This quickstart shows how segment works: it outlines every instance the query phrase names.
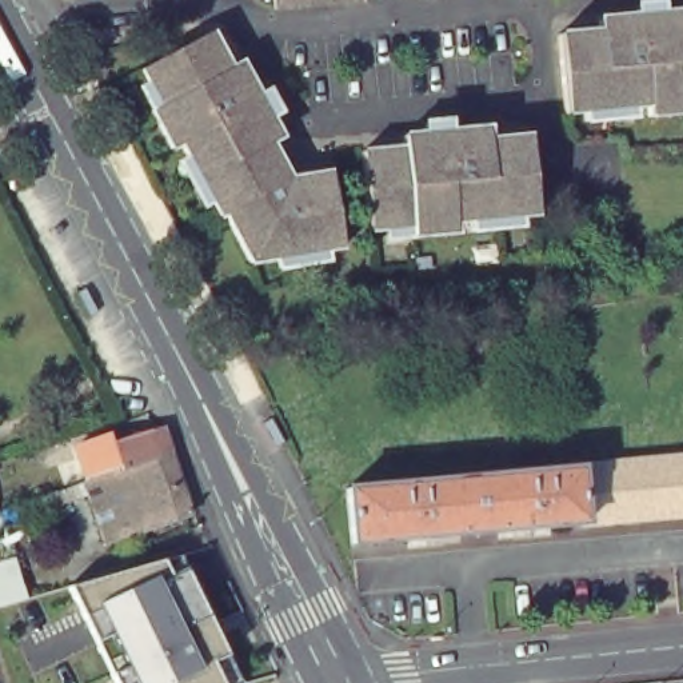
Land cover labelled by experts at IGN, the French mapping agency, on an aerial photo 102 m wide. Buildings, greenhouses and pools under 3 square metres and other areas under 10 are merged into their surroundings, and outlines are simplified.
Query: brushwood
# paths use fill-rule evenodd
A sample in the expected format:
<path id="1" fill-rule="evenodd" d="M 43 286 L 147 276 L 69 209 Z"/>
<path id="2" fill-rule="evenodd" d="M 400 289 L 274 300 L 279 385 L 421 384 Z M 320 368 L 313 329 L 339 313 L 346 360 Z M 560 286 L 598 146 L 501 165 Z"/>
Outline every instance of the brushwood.
<path id="1" fill-rule="evenodd" d="M 29 248 L 35 251 L 48 283 L 53 285 L 69 323 L 77 331 L 77 336 L 69 339 L 69 358 L 77 360 L 83 379 L 93 382 L 93 395 L 88 398 L 83 416 L 72 419 L 59 432 L 40 427 L 40 422 L 29 416 L 27 422 L 8 416 L 0 424 L 0 462 L 35 459 L 45 454 L 53 446 L 69 443 L 75 438 L 96 438 L 112 432 L 117 422 L 133 416 L 133 411 L 125 395 L 112 390 L 112 374 L 107 371 L 107 363 L 101 360 L 99 347 L 91 339 L 80 312 L 72 307 L 69 293 L 45 245 L 40 243 L 40 235 L 24 203 L 19 200 L 19 195 L 11 192 L 11 179 L 0 165 L 0 203 L 8 200 L 8 208 L 19 219 L 29 240 Z"/>
<path id="2" fill-rule="evenodd" d="M 435 635 L 456 632 L 454 595 L 443 592 L 443 598 L 438 600 L 440 619 L 432 622 Z"/>
<path id="3" fill-rule="evenodd" d="M 622 173 L 630 165 L 648 163 L 683 165 L 683 147 L 630 147 L 624 139 L 630 131 L 627 123 L 592 125 L 584 123 L 584 117 L 566 115 L 563 131 L 568 141 L 579 147 L 616 147 Z"/>
<path id="4" fill-rule="evenodd" d="M 144 165 L 155 160 L 145 140 L 160 133 L 152 117 L 144 120 L 141 133 L 131 147 L 136 149 Z"/>
<path id="5" fill-rule="evenodd" d="M 515 600 L 518 587 L 512 582 L 491 582 L 483 592 L 483 606 L 486 627 L 496 630 L 499 624 L 510 624 L 510 619 L 520 608 Z"/>
<path id="6" fill-rule="evenodd" d="M 363 160 L 363 155 L 352 149 L 336 168 L 339 179 L 347 179 L 347 173 L 358 173 L 366 184 L 371 184 L 374 171 Z"/>

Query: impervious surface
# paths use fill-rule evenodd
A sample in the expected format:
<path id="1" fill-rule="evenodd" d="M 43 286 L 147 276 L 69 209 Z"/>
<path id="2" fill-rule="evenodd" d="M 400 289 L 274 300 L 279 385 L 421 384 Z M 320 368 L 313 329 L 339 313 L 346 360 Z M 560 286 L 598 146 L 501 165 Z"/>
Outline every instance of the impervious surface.
<path id="1" fill-rule="evenodd" d="M 61 619 L 51 622 L 40 603 L 8 606 L 13 611 L 11 630 L 16 632 L 19 648 L 29 662 L 32 672 L 51 670 L 64 680 L 61 664 L 72 662 L 72 654 L 83 654 L 93 646 L 72 603 L 64 608 Z"/>
<path id="2" fill-rule="evenodd" d="M 61 480 L 75 478 L 80 472 L 77 448 L 69 443 L 53 446 L 45 454 L 45 464 L 56 467 L 59 478 Z"/>
<path id="3" fill-rule="evenodd" d="M 237 611 L 229 614 L 221 624 L 227 635 L 232 630 L 240 630 L 248 638 L 248 643 L 253 643 L 253 678 L 264 678 L 264 683 L 683 683 L 683 520 L 627 523 L 606 528 L 550 528 L 534 523 L 507 523 L 486 534 L 451 531 L 424 534 L 408 544 L 406 539 L 352 544 L 355 566 L 352 571 L 344 571 L 339 550 L 309 491 L 309 480 L 304 478 L 301 467 L 296 467 L 288 459 L 285 446 L 276 451 L 271 442 L 261 423 L 268 419 L 272 422 L 264 395 L 253 403 L 240 403 L 227 371 L 208 374 L 197 366 L 187 344 L 184 320 L 179 309 L 163 304 L 163 293 L 152 280 L 149 245 L 155 240 L 149 237 L 141 216 L 136 213 L 125 187 L 120 184 L 107 157 L 93 160 L 83 149 L 77 149 L 72 136 L 75 115 L 75 104 L 67 96 L 53 93 L 45 85 L 35 45 L 56 19 L 61 24 L 83 21 L 125 19 L 128 29 L 141 32 L 141 27 L 163 24 L 171 35 L 171 43 L 179 48 L 221 29 L 235 56 L 251 59 L 264 85 L 280 91 L 285 101 L 288 125 L 285 149 L 293 165 L 299 171 L 336 168 L 352 149 L 363 155 L 363 147 L 374 139 L 376 144 L 398 144 L 406 139 L 408 131 L 424 128 L 432 117 L 448 115 L 459 117 L 459 123 L 499 123 L 504 133 L 536 131 L 544 205 L 560 189 L 574 189 L 584 203 L 616 200 L 616 205 L 622 205 L 630 200 L 630 184 L 622 173 L 616 147 L 579 147 L 568 141 L 563 131 L 566 115 L 560 101 L 555 37 L 566 35 L 566 29 L 571 27 L 600 24 L 603 13 L 632 11 L 640 5 L 640 0 L 368 0 L 358 5 L 264 8 L 261 0 L 0 0 L 0 75 L 5 69 L 19 75 L 16 99 L 21 109 L 13 115 L 8 133 L 27 136 L 37 144 L 40 179 L 32 187 L 37 197 L 43 197 L 51 219 L 56 221 L 56 232 L 67 245 L 67 256 L 77 269 L 77 280 L 88 283 L 88 291 L 99 312 L 115 333 L 128 371 L 112 374 L 112 390 L 125 395 L 133 411 L 133 416 L 117 422 L 112 432 L 117 438 L 155 427 L 165 427 L 171 432 L 181 478 L 192 499 L 192 515 L 184 523 L 173 526 L 179 534 L 195 534 L 208 547 L 189 563 L 203 584 L 205 596 L 225 583 L 235 592 Z M 515 85 L 512 69 L 512 21 L 523 27 L 531 53 L 528 75 L 520 85 Z M 424 48 L 427 69 L 422 75 L 400 75 L 395 69 L 390 53 L 395 53 L 400 45 Z M 339 56 L 350 56 L 358 61 L 360 77 L 350 85 L 339 85 L 331 72 L 333 59 Z M 518 587 L 515 600 L 520 608 L 510 619 L 510 624 L 499 624 L 496 630 L 486 627 L 483 606 L 483 592 L 491 582 L 512 582 Z M 395 638 L 387 632 L 390 622 L 432 622 L 440 619 L 438 600 L 443 598 L 443 592 L 454 595 L 456 632 L 435 635 Z M 646 595 L 651 603 L 648 619 L 632 619 L 630 614 L 619 611 L 627 600 L 640 595 Z M 515 624 L 528 603 L 536 606 L 544 616 L 544 627 L 536 635 L 528 635 Z M 608 622 L 579 622 L 571 630 L 560 630 L 552 616 L 558 603 L 606 603 Z"/>
<path id="4" fill-rule="evenodd" d="M 77 547 L 69 563 L 80 574 L 99 555 L 117 555 L 115 547 L 104 542 L 104 523 L 96 523 L 99 512 L 91 510 L 88 496 L 69 504 L 64 512 L 56 515 L 59 534 L 72 539 L 72 547 Z"/>

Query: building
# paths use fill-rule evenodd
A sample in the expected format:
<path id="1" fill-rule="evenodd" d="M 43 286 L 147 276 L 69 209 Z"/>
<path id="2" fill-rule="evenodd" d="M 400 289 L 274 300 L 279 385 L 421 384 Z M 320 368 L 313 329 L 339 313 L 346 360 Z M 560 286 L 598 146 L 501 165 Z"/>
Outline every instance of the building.
<path id="1" fill-rule="evenodd" d="M 616 459 L 616 464 L 595 462 L 592 467 L 582 462 L 352 486 L 347 488 L 347 523 L 352 544 L 406 539 L 408 544 L 424 534 L 451 531 L 486 534 L 507 523 L 534 523 L 550 528 L 606 528 L 627 523 L 683 520 L 683 454 L 624 456 Z"/>
<path id="2" fill-rule="evenodd" d="M 560 101 L 566 115 L 584 117 L 584 123 L 592 125 L 627 123 L 643 117 L 670 120 L 683 115 L 683 0 L 640 0 L 640 5 L 632 11 L 603 13 L 600 24 L 571 27 L 566 29 L 566 35 L 555 37 Z"/>
<path id="3" fill-rule="evenodd" d="M 261 423 L 271 442 L 276 451 L 285 446 L 277 424 L 272 422 L 268 419 Z"/>
<path id="4" fill-rule="evenodd" d="M 336 168 L 299 171 L 293 165 L 285 149 L 288 125 L 285 101 L 280 91 L 264 85 L 251 59 L 235 56 L 221 29 L 179 48 L 176 53 L 149 67 L 141 75 L 141 91 L 152 109 L 152 117 L 160 133 L 168 149 L 176 152 L 181 152 L 179 173 L 192 181 L 197 200 L 205 208 L 213 208 L 229 224 L 229 232 L 237 240 L 243 256 L 253 264 L 275 264 L 283 272 L 325 264 L 336 261 L 336 253 L 352 251 L 352 243 L 347 237 L 347 211 L 339 192 L 339 179 Z"/>
<path id="5" fill-rule="evenodd" d="M 496 245 L 475 248 L 472 259 L 478 264 L 499 261 Z"/>
<path id="6" fill-rule="evenodd" d="M 406 139 L 398 144 L 376 144 L 374 139 L 363 147 L 363 155 L 363 160 L 374 171 L 371 184 L 371 197 L 379 205 L 371 213 L 371 227 L 382 232 L 384 240 L 411 243 L 462 237 L 472 232 L 496 232 L 528 229 L 534 219 L 544 216 L 544 205 L 536 131 L 504 133 L 499 123 L 459 123 L 459 117 L 448 115 L 432 117 L 424 128 L 408 131 Z"/>
<path id="7" fill-rule="evenodd" d="M 264 8 L 358 5 L 368 0 L 261 0 Z"/>
<path id="8" fill-rule="evenodd" d="M 189 563 L 187 555 L 179 555 L 179 566 L 173 566 L 168 558 L 160 558 L 75 587 L 27 592 L 16 560 L 0 560 L 0 608 L 8 606 L 40 603 L 64 595 L 69 595 L 72 603 L 93 646 L 107 667 L 107 683 L 264 683 L 264 678 L 253 678 L 243 678 L 243 670 L 232 654 L 227 635 L 221 624 L 205 596 L 203 584 Z"/>
<path id="9" fill-rule="evenodd" d="M 88 291 L 83 291 L 80 299 L 83 309 L 88 320 L 99 312 Z"/>
<path id="10" fill-rule="evenodd" d="M 91 510 L 99 512 L 96 523 L 104 523 L 104 542 L 115 547 L 120 539 L 128 539 L 133 534 L 165 531 L 173 526 L 184 523 L 192 515 L 192 499 L 181 478 L 171 432 L 165 427 L 155 427 L 117 438 L 112 432 L 96 438 L 75 438 L 69 443 L 77 448 L 80 472 L 75 478 L 61 480 L 61 499 L 69 504 L 88 496 Z"/>
<path id="11" fill-rule="evenodd" d="M 416 267 L 432 269 L 432 259 L 422 256 Z"/>

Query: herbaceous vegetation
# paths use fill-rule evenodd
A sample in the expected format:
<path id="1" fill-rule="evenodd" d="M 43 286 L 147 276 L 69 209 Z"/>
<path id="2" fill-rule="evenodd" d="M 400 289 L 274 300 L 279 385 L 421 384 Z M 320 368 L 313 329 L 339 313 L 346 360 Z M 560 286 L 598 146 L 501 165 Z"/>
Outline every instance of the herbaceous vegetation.
<path id="1" fill-rule="evenodd" d="M 13 611 L 8 606 L 0 608 L 0 683 L 107 683 L 107 667 L 93 646 L 83 654 L 72 654 L 72 662 L 61 664 L 64 680 L 51 670 L 32 672 L 29 662 L 19 648 L 16 632 L 11 630 Z"/>
<path id="2" fill-rule="evenodd" d="M 152 109 L 141 91 L 141 75 L 149 67 L 141 59 L 141 32 L 128 29 L 125 19 L 83 21 L 93 27 L 99 45 L 99 64 L 93 67 L 91 80 L 99 88 L 107 99 L 125 104 L 136 117 L 144 120 L 152 117 Z"/>
<path id="3" fill-rule="evenodd" d="M 374 272 L 352 251 L 336 253 L 336 261 L 325 264 L 323 269 L 328 285 L 350 283 L 379 288 L 395 283 L 430 288 L 443 277 L 464 277 L 467 283 L 496 280 L 496 293 L 504 304 L 515 296 L 512 280 L 526 280 L 536 285 L 536 267 L 502 267 L 499 261 L 478 264 L 472 259 L 475 248 L 496 245 L 496 232 L 472 232 L 462 237 L 411 243 L 384 240 L 387 256 L 403 264 L 398 272 Z M 422 256 L 432 259 L 432 269 L 416 267 Z"/>
<path id="4" fill-rule="evenodd" d="M 21 542 L 19 520 L 5 523 L 0 515 L 0 560 L 16 560 L 13 544 Z"/>
<path id="5" fill-rule="evenodd" d="M 155 160 L 171 160 L 176 152 L 168 149 L 160 133 L 145 140 Z"/>
<path id="6" fill-rule="evenodd" d="M 253 643 L 248 643 L 248 638 L 240 630 L 232 630 L 227 635 L 232 654 L 243 670 L 243 678 L 253 678 Z"/>
<path id="7" fill-rule="evenodd" d="M 59 478 L 56 467 L 45 464 L 45 454 L 35 459 L 0 462 L 0 510 L 5 507 L 5 496 L 16 488 L 32 488 Z"/>
<path id="8" fill-rule="evenodd" d="M 243 256 L 237 240 L 229 232 L 221 243 L 221 259 L 216 264 L 216 272 L 205 283 L 205 285 L 211 291 L 216 291 L 219 296 L 243 296 L 248 309 L 248 333 L 256 336 L 259 331 L 269 333 L 272 328 L 277 328 L 277 320 L 285 315 L 291 320 L 291 328 L 301 331 L 317 315 L 317 309 L 312 299 L 293 304 L 288 299 L 288 285 L 272 288 L 269 296 L 259 293 L 245 277 L 253 264 Z"/>
<path id="9" fill-rule="evenodd" d="M 683 165 L 648 163 L 630 165 L 622 173 L 630 184 L 630 200 L 635 213 L 640 213 L 646 232 L 667 227 L 683 216 Z"/>
<path id="10" fill-rule="evenodd" d="M 387 632 L 395 638 L 435 635 L 432 622 L 390 622 Z"/>
<path id="11" fill-rule="evenodd" d="M 670 120 L 643 117 L 627 123 L 630 131 L 624 139 L 630 147 L 683 147 L 683 115 Z"/>
<path id="12" fill-rule="evenodd" d="M 32 379 L 43 371 L 48 358 L 64 363 L 69 358 L 69 339 L 77 336 L 77 331 L 69 323 L 53 285 L 48 283 L 35 251 L 29 248 L 29 240 L 19 219 L 8 208 L 8 200 L 0 203 L 0 424 L 8 416 L 27 422 L 29 416 Z"/>
<path id="13" fill-rule="evenodd" d="M 221 624 L 229 614 L 237 611 L 235 592 L 225 583 L 205 596 Z"/>
<path id="14" fill-rule="evenodd" d="M 288 459 L 296 467 L 301 467 L 304 478 L 309 480 L 309 491 L 339 550 L 344 571 L 352 571 L 355 566 L 352 544 L 347 523 L 347 488 L 352 486 L 582 462 L 592 467 L 595 462 L 616 464 L 616 459 L 624 456 L 683 454 L 683 328 L 672 317 L 672 307 L 680 293 L 595 293 L 587 307 L 582 304 L 576 309 L 568 309 L 560 320 L 576 320 L 584 331 L 584 360 L 576 379 L 582 382 L 595 411 L 592 416 L 579 419 L 579 424 L 584 427 L 582 432 L 574 432 L 563 440 L 502 438 L 499 419 L 491 411 L 488 390 L 483 384 L 478 384 L 470 395 L 459 395 L 454 403 L 440 406 L 432 414 L 416 408 L 408 416 L 387 416 L 371 398 L 376 379 L 366 379 L 355 368 L 342 368 L 339 376 L 325 379 L 315 371 L 317 358 L 301 360 L 280 355 L 269 368 L 261 368 L 256 376 L 264 395 L 272 422 L 277 424 L 285 446 Z"/>

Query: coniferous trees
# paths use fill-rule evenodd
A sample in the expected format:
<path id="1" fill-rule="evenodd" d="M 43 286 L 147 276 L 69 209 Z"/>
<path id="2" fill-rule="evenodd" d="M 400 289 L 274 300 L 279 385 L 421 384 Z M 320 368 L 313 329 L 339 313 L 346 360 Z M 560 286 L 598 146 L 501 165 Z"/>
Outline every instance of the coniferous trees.
<path id="1" fill-rule="evenodd" d="M 19 75 L 5 69 L 0 75 L 0 165 L 11 179 L 21 181 L 27 189 L 32 187 L 40 179 L 37 144 L 27 136 L 8 133 L 13 115 L 21 109 L 16 99 Z"/>
<path id="2" fill-rule="evenodd" d="M 83 112 L 75 115 L 72 136 L 77 149 L 83 149 L 93 160 L 107 157 L 112 152 L 123 152 L 131 147 L 141 133 L 144 120 L 136 117 L 125 104 L 107 99 L 99 88 L 93 99 L 80 104 Z"/>
<path id="3" fill-rule="evenodd" d="M 149 245 L 152 280 L 163 293 L 163 304 L 179 309 L 184 309 L 192 301 L 192 296 L 205 285 L 205 283 L 192 259 L 192 245 L 171 229 L 163 240 L 155 240 Z"/>
<path id="4" fill-rule="evenodd" d="M 219 296 L 216 291 L 211 291 L 211 299 L 200 307 L 200 312 L 184 320 L 187 344 L 197 366 L 208 374 L 227 371 L 229 360 L 243 358 L 256 344 L 256 336 L 248 333 L 248 309 L 243 296 Z"/>
<path id="5" fill-rule="evenodd" d="M 45 85 L 53 93 L 67 96 L 77 91 L 77 85 L 85 85 L 91 80 L 93 67 L 99 64 L 99 45 L 93 27 L 83 21 L 61 24 L 56 19 L 35 45 Z"/>

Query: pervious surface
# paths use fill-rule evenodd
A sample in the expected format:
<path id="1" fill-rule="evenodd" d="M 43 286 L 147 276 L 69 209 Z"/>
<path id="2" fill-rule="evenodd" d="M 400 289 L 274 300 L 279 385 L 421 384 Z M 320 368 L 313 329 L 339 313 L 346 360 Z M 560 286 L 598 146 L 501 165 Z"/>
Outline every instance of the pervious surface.
<path id="1" fill-rule="evenodd" d="M 80 574 L 69 563 L 59 568 L 35 571 L 21 542 L 13 544 L 16 560 L 27 592 L 75 587 L 160 558 L 168 558 L 173 566 L 179 566 L 179 555 L 187 555 L 189 563 L 208 547 L 195 534 L 144 550 L 139 555 L 117 555 L 99 555 Z"/>
<path id="2" fill-rule="evenodd" d="M 152 189 L 144 165 L 136 149 L 131 147 L 123 152 L 112 152 L 107 157 L 120 184 L 125 187 L 136 213 L 141 216 L 149 237 L 155 240 L 163 240 L 171 229 L 171 213 Z"/>
<path id="3" fill-rule="evenodd" d="M 24 203 L 40 235 L 40 243 L 45 245 L 69 293 L 72 307 L 80 312 L 91 339 L 99 347 L 101 360 L 107 363 L 107 371 L 112 374 L 128 371 L 115 333 L 99 312 L 88 320 L 83 309 L 80 299 L 83 291 L 88 291 L 88 283 L 77 280 L 77 269 L 67 256 L 67 245 L 56 232 L 56 221 L 51 219 L 43 197 L 37 197 L 32 187 L 27 189 L 21 181 L 11 179 L 11 192 L 19 195 L 19 200 Z"/>
<path id="4" fill-rule="evenodd" d="M 75 104 L 75 115 L 83 112 L 80 104 L 93 99 L 99 88 L 91 80 L 85 85 L 77 85 L 77 91 L 67 96 Z"/>
<path id="5" fill-rule="evenodd" d="M 184 320 L 200 312 L 200 307 L 211 299 L 211 291 L 205 285 L 192 296 L 192 301 L 184 309 L 179 309 Z"/>
<path id="6" fill-rule="evenodd" d="M 253 403 L 264 395 L 256 376 L 243 358 L 229 360 L 227 371 L 240 403 Z"/>

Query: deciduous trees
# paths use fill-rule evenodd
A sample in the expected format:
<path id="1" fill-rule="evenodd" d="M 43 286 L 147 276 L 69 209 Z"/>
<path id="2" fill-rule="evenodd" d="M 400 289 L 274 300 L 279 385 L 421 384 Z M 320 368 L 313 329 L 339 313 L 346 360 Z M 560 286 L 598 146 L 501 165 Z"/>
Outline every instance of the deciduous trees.
<path id="1" fill-rule="evenodd" d="M 536 606 L 528 603 L 515 624 L 528 635 L 536 635 L 544 627 L 544 616 Z"/>
<path id="2" fill-rule="evenodd" d="M 171 160 L 155 160 L 144 165 L 152 189 L 171 213 L 171 229 L 192 245 L 192 259 L 205 283 L 216 272 L 216 264 L 221 259 L 221 243 L 229 232 L 229 224 L 213 208 L 205 208 L 197 200 L 192 181 L 179 173 L 181 152 L 176 152 Z"/>
<path id="3" fill-rule="evenodd" d="M 165 531 L 133 534 L 128 539 L 120 539 L 115 547 L 117 555 L 139 555 L 144 550 L 195 534 L 179 534 L 173 526 Z"/>
<path id="4" fill-rule="evenodd" d="M 587 307 L 595 293 L 680 293 L 672 307 L 672 317 L 683 328 L 683 216 L 667 227 L 646 232 L 640 213 L 635 213 L 630 200 L 622 205 L 616 205 L 616 200 L 584 203 L 574 189 L 560 189 L 544 205 L 544 216 L 534 219 L 528 229 L 496 232 L 496 245 L 499 261 L 502 267 L 536 267 L 536 285 L 526 280 L 512 280 L 515 296 L 504 304 L 496 293 L 496 280 L 467 283 L 464 277 L 443 277 L 430 288 L 395 283 L 379 288 L 350 283 L 328 285 L 323 269 L 325 264 L 283 272 L 275 264 L 253 264 L 245 277 L 259 293 L 269 296 L 272 288 L 288 285 L 288 299 L 293 304 L 312 299 L 317 309 L 317 315 L 301 331 L 291 328 L 291 320 L 285 315 L 277 320 L 277 328 L 272 328 L 269 333 L 259 331 L 256 336 L 256 344 L 243 358 L 256 376 L 261 368 L 269 368 L 280 355 L 301 360 L 317 358 L 315 371 L 325 379 L 339 376 L 342 368 L 355 368 L 366 379 L 376 379 L 371 398 L 387 416 L 408 416 L 416 408 L 432 414 L 440 406 L 454 403 L 459 395 L 470 395 L 478 384 L 483 384 L 488 390 L 491 411 L 499 419 L 502 438 L 563 440 L 574 432 L 582 432 L 584 427 L 579 424 L 579 419 L 592 416 L 595 411 L 582 382 L 576 379 L 584 360 L 584 331 L 576 320 L 560 320 L 568 309 L 576 309 L 582 304 Z"/>
<path id="5" fill-rule="evenodd" d="M 395 53 L 390 53 L 395 69 L 400 75 L 422 75 L 427 69 L 424 48 L 400 45 Z"/>
<path id="6" fill-rule="evenodd" d="M 520 85 L 528 75 L 531 53 L 523 27 L 512 21 L 512 69 L 515 85 Z"/>
<path id="7" fill-rule="evenodd" d="M 5 507 L 0 510 L 0 515 L 5 523 L 19 520 L 21 542 L 35 571 L 59 568 L 69 563 L 77 547 L 72 547 L 72 539 L 59 534 L 56 515 L 64 512 L 69 504 L 61 499 L 61 480 L 59 478 L 32 488 L 16 488 L 5 496 Z"/>
<path id="8" fill-rule="evenodd" d="M 608 622 L 606 603 L 558 603 L 552 616 L 560 630 L 571 630 L 579 622 Z"/>
<path id="9" fill-rule="evenodd" d="M 69 595 L 64 595 L 40 603 L 51 622 L 61 619 L 64 608 L 72 603 Z"/>
<path id="10" fill-rule="evenodd" d="M 48 358 L 43 371 L 32 379 L 29 416 L 40 422 L 40 427 L 59 432 L 72 419 L 83 416 L 88 398 L 93 395 L 93 382 L 83 379 L 77 360 L 69 358 L 64 363 Z"/>
<path id="11" fill-rule="evenodd" d="M 640 595 L 627 600 L 619 611 L 630 614 L 632 619 L 648 619 L 651 603 L 646 595 Z"/>
<path id="12" fill-rule="evenodd" d="M 171 43 L 171 35 L 163 24 L 141 27 L 141 32 L 141 59 L 149 67 L 176 53 L 179 48 Z"/>
<path id="13" fill-rule="evenodd" d="M 398 272 L 403 264 L 387 256 L 384 240 L 382 232 L 371 227 L 371 213 L 379 205 L 371 197 L 371 184 L 366 184 L 358 173 L 347 173 L 347 179 L 339 179 L 339 192 L 347 211 L 347 237 L 352 243 L 352 251 L 374 272 Z"/>
<path id="14" fill-rule="evenodd" d="M 358 61 L 350 56 L 339 56 L 333 59 L 331 72 L 339 85 L 350 85 L 360 77 Z"/>

